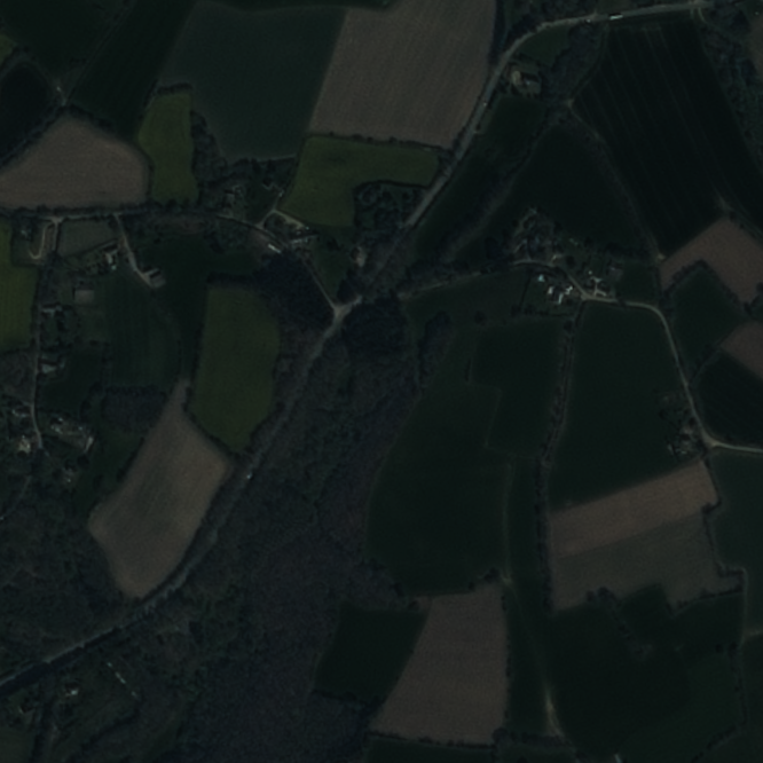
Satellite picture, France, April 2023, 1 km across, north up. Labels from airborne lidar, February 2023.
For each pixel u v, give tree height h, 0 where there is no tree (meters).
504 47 7
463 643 0
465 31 0
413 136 0
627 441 0
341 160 0
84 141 0
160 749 0
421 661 0
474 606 0
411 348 7
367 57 0
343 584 15
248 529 23
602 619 0
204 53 0
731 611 0
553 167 0
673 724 0
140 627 17
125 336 0
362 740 16
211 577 23
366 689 0
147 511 0
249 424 0
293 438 11
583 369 0
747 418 0
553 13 18
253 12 0
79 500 0
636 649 8
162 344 0
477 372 0
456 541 0
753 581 0
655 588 0
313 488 11
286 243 7
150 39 0
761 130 15
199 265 0
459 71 0
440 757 0
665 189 0
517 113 0
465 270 15
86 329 0
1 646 13
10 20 0
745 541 0
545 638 0
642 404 0
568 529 0
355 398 15
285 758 19
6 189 0
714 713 0
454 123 0
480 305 0
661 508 0
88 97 0
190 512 0
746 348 0
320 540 19
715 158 0
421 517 0
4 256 0
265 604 20
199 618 8
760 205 0
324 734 14
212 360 0
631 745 0
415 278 18
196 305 0
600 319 0
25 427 12
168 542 0
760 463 0
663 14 0
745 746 0
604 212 0
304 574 20
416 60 0
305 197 0
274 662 23
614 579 0
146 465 0
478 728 0
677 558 0
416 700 0
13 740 0
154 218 20
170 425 0
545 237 15
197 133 18
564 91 10
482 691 0
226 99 0
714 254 0
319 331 16
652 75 0
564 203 0
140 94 0
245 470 17
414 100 0
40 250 0
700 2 0
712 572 0
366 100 0
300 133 0
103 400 10
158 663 21
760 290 10
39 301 15
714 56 9
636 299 0
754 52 0
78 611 19
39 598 8
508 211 0
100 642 8
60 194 0
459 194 0
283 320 15
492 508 0
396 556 0
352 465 15
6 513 10
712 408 0
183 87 8
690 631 0
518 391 0
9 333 0
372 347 15
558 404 16
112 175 0
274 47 0
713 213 0
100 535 0
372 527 0
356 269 13
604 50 0
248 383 0
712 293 0
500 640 0
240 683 18
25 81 0
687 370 13
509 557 0
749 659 0
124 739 21
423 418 0
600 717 0
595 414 0
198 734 20
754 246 0
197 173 12
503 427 0
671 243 0
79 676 6
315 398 19
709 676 0
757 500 0
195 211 16
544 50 0
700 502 0
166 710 19
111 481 0
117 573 0
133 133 0
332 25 0
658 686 0
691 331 0
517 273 0
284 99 0
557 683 0
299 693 23
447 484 0
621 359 0
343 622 0
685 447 0
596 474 0
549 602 11
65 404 0
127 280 0
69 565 11
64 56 0
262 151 0
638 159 0
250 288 15
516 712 0
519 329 0
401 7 0
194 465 0
